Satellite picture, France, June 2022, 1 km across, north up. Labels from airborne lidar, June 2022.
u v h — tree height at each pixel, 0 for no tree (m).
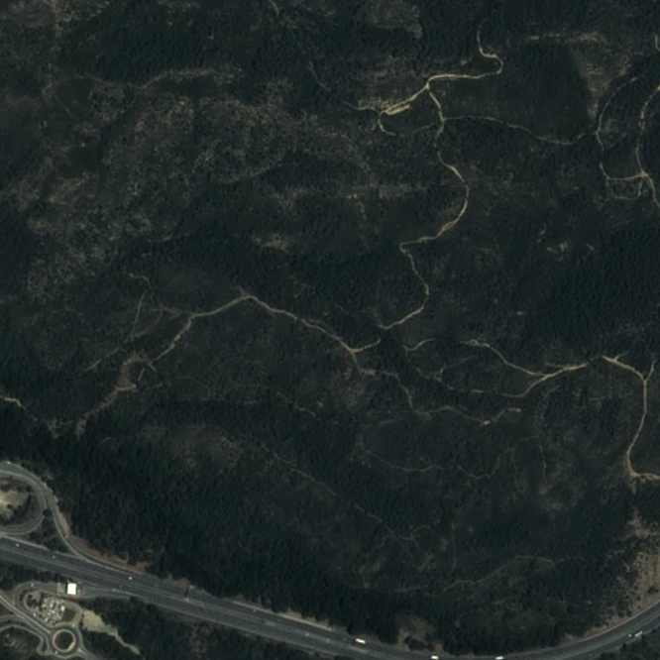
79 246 10
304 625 0
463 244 6
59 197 0
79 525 18
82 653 0
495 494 6
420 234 0
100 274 7
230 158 11
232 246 12
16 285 11
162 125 0
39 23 0
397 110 0
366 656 0
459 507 7
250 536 11
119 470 13
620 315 12
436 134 7
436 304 7
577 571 6
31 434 11
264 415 15
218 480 7
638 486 7
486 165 9
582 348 9
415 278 9
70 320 10
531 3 14
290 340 7
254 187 7
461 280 8
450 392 11
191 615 0
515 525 12
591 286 12
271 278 15
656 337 11
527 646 13
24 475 0
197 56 13
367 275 14
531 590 8
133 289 10
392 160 6
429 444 10
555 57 13
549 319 13
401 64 9
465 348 13
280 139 9
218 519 13
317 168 11
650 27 15
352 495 15
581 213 11
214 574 13
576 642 0
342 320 8
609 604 7
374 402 11
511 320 7
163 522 11
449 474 9
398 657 0
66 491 7
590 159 10
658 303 14
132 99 10
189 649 8
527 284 14
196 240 15
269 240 0
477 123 12
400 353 8
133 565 9
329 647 0
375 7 0
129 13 8
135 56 8
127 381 0
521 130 11
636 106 12
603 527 8
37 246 10
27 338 7
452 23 16
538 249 10
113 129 8
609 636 0
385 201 9
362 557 8
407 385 12
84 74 8
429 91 6
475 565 5
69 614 0
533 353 9
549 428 9
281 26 6
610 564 8
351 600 9
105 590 0
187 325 0
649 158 12
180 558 16
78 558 0
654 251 15
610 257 16
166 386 9
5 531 0
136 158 0
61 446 14
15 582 11
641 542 10
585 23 11
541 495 0
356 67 10
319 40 13
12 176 10
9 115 0
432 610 9
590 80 0
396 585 7
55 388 16
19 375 8
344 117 8
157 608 9
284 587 16
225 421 15
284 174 10
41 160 9
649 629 0
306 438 16
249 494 7
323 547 7
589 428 11
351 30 14
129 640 12
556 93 8
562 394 11
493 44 9
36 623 0
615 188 9
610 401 9
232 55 12
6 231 14
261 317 10
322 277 5
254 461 7
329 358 7
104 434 7
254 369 8
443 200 12
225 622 0
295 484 10
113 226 0
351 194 0
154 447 8
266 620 0
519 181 8
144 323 0
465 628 7
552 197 7
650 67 14
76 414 7
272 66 9
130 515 9
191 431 0
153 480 12
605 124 0
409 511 12
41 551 0
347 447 15
